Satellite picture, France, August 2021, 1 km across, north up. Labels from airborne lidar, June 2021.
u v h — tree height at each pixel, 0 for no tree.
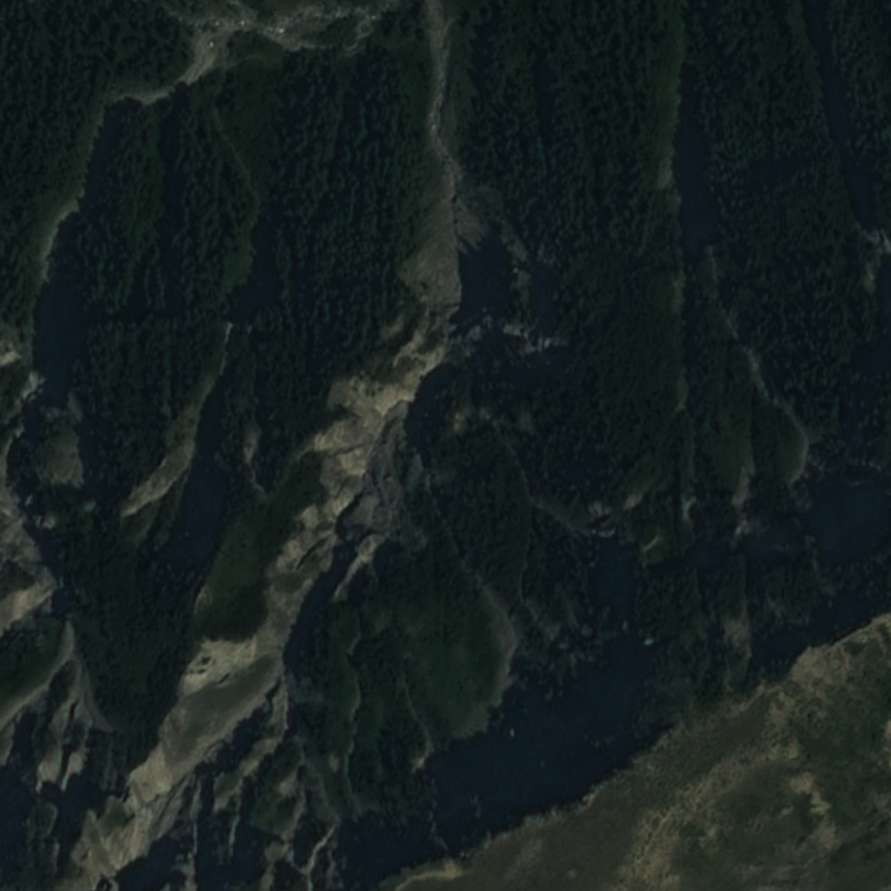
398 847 0
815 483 0
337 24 7
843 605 0
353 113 10
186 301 26
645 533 6
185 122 28
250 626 6
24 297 11
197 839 0
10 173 12
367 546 0
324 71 9
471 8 0
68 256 10
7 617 0
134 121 31
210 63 0
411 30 10
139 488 7
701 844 0
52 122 9
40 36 31
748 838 0
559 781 0
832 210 10
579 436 7
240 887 0
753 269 7
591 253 7
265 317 22
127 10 33
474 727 0
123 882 0
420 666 0
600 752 0
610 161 8
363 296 8
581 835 0
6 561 0
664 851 0
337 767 0
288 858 0
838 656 0
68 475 0
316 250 34
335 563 0
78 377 12
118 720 0
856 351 7
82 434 0
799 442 0
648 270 8
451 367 0
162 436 10
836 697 0
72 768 0
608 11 24
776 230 6
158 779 0
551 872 0
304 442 11
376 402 0
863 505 0
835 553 0
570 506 13
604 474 10
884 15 8
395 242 15
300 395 6
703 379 9
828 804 0
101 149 0
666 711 0
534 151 35
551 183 22
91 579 6
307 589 0
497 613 0
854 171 8
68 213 0
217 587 0
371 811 0
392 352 6
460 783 0
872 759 0
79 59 7
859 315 18
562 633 0
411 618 0
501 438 6
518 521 14
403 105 32
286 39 0
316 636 8
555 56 7
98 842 0
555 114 28
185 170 33
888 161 8
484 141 7
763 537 0
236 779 0
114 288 18
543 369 0
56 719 0
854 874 0
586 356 7
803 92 10
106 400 11
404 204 26
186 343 8
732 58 14
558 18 10
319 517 0
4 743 0
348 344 16
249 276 0
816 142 11
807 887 0
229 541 0
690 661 7
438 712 0
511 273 10
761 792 0
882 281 0
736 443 0
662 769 0
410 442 0
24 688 0
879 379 14
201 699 0
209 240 29
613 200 7
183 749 0
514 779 0
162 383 11
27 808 0
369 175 32
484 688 0
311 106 22
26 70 33
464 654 0
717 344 8
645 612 6
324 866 0
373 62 6
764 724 0
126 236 26
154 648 0
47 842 0
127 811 0
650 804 0
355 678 0
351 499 0
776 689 0
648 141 10
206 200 30
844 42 35
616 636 0
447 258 0
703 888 0
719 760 0
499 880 0
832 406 23
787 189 6
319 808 0
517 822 7
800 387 19
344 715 0
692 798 0
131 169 25
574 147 26
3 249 25
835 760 0
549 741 0
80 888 0
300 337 9
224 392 10
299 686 0
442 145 0
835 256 6
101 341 6
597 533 0
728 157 12
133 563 6
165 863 0
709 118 17
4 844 0
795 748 0
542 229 19
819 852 0
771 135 12
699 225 0
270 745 0
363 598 6
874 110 16
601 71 7
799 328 5
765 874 0
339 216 30
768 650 0
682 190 0
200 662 0
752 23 30
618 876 0
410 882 0
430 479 0
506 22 27
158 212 6
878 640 0
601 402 16
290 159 11
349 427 0
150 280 13
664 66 6
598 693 0
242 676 0
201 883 0
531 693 0
